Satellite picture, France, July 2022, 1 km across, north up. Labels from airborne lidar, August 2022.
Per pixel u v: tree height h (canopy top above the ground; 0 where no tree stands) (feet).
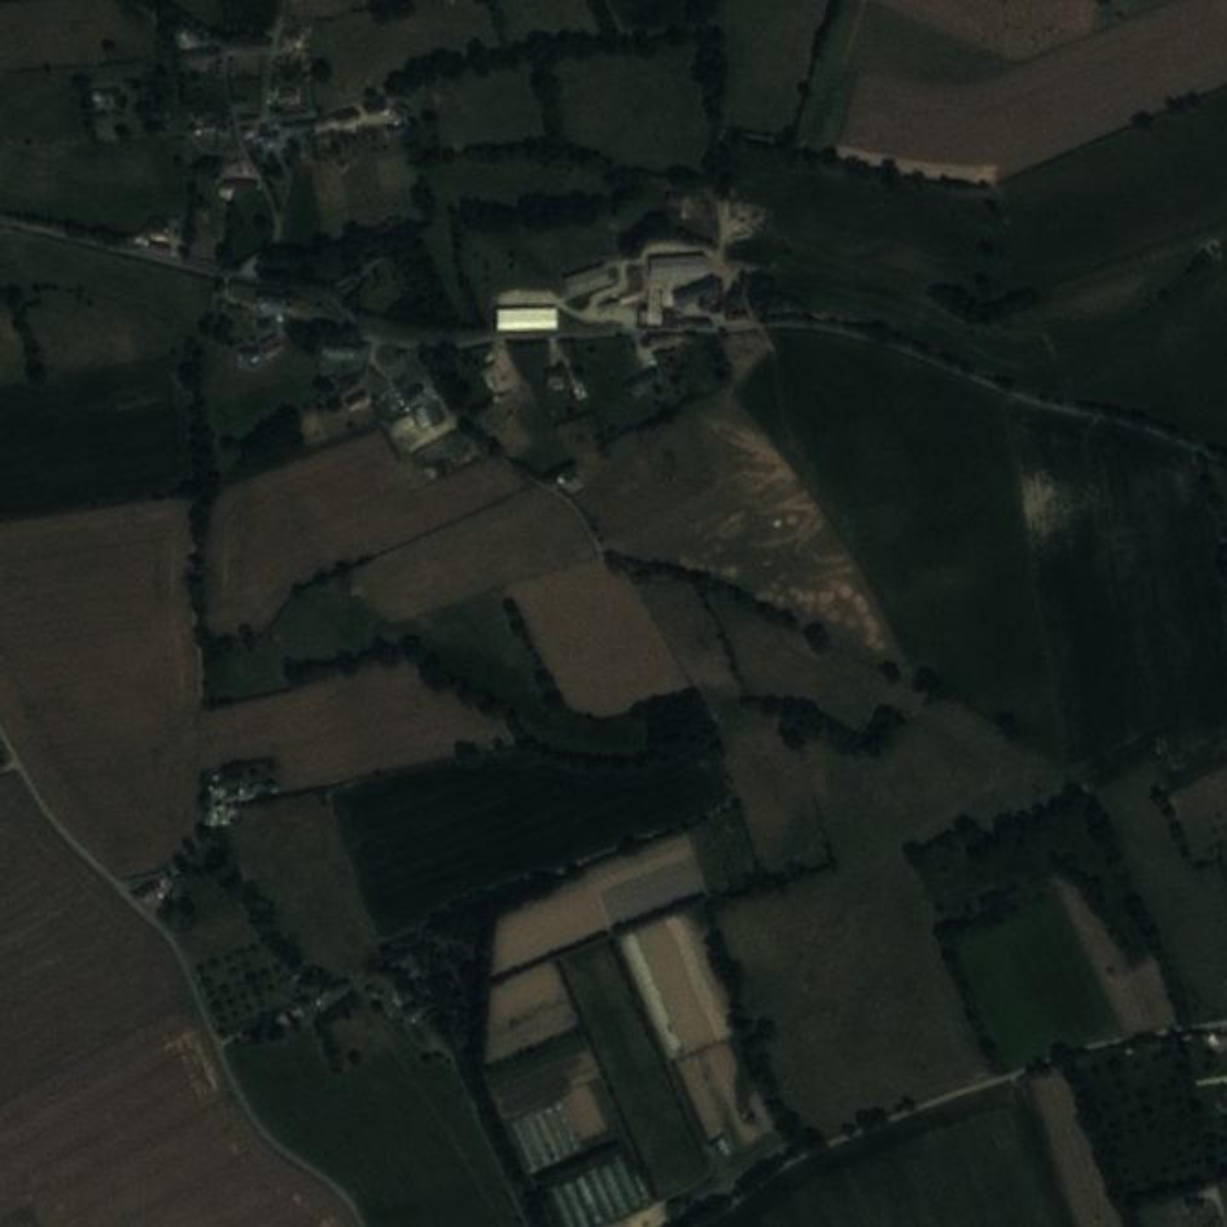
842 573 0
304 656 0
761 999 0
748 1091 0
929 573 0
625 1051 0
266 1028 38
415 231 35
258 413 0
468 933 20
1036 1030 0
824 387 0
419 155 43
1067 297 0
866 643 0
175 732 0
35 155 0
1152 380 0
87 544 0
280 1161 0
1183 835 37
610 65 0
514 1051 0
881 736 82
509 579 0
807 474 0
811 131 0
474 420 23
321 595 0
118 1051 0
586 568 0
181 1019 0
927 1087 0
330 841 0
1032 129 0
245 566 0
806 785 0
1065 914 0
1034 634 0
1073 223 0
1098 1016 0
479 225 52
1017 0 0
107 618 0
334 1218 0
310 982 50
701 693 38
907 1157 0
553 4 0
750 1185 44
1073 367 0
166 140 0
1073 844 0
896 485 0
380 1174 0
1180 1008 36
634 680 0
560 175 0
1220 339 0
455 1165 0
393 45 0
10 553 0
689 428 0
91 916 0
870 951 0
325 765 0
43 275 0
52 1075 0
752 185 0
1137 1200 41
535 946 0
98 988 0
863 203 0
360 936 0
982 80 0
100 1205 0
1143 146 0
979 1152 0
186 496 39
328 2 0
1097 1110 42
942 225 0
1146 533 0
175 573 0
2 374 0
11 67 0
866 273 0
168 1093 0
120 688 0
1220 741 0
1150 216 0
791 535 0
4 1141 0
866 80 0
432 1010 36
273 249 41
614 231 0
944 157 0
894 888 0
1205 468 31
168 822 0
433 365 35
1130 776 0
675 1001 0
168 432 0
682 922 0
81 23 0
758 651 0
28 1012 0
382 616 0
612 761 27
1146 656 0
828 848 22
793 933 0
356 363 0
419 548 0
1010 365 0
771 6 0
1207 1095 0
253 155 27
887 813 0
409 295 19
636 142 0
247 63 0
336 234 0
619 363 0
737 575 0
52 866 0
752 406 0
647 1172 25
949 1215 0
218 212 0
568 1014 0
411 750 0
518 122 0
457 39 0
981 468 0
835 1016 0
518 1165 37
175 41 23
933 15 0
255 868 0
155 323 0
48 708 0
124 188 0
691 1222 44
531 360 0
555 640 0
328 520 0
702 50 67
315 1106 0
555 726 0
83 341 0
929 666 0
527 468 24
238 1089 0
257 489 0
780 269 0
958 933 41
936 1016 0
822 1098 0
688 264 0
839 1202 0
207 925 0
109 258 0
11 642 0
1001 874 0
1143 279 0
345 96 0
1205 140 0
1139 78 0
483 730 0
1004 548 0
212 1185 0
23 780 0
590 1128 0
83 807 0
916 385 0
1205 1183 32
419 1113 0
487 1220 0
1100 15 0
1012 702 0
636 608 0
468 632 0
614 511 0
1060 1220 0
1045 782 0
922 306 0
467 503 0
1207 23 0
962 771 0
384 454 0
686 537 0
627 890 0
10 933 0
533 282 0
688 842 0
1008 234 0
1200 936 0
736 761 0
